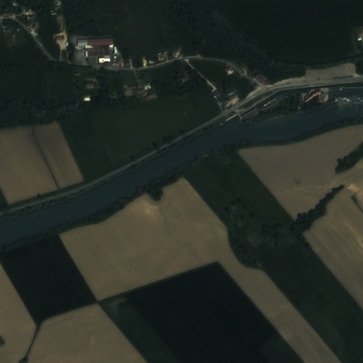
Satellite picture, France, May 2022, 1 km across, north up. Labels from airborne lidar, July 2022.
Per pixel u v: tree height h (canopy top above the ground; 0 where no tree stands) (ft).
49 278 0
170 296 0
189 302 0
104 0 0
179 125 0
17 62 0
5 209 74
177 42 0
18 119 42
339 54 0
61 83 0
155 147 75
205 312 0
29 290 0
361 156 0
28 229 0
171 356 0
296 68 52
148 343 0
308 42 0
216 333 0
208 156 0
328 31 0
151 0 0
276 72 49
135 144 0
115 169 0
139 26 0
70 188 0
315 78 0
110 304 0
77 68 43
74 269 0
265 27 0
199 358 0
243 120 38
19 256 0
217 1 26
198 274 0
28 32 27
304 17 0
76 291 0
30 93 0
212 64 0
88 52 0
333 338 0
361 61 44
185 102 0
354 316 0
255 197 0
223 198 0
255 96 0
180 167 27
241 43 73
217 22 81
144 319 0
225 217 0
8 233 0
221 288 0
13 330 0
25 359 34
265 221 0
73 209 0
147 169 0
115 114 0
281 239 42
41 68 0
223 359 0
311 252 0
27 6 45
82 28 30
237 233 0
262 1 0
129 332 0
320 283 0
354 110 0
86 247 0
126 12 0
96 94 0
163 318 0
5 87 0
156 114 0
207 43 43
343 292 0
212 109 0
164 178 25
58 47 0
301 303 0
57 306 0
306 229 59
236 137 0
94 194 0
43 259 0
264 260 0
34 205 0
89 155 0
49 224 0
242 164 0
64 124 0
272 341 0
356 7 0
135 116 0
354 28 0
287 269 0
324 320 0
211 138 0
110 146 0
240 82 0
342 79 0
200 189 0
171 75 0
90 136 0
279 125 0
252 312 0
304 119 0
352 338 0
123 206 38
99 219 66
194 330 0
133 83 0
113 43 19
